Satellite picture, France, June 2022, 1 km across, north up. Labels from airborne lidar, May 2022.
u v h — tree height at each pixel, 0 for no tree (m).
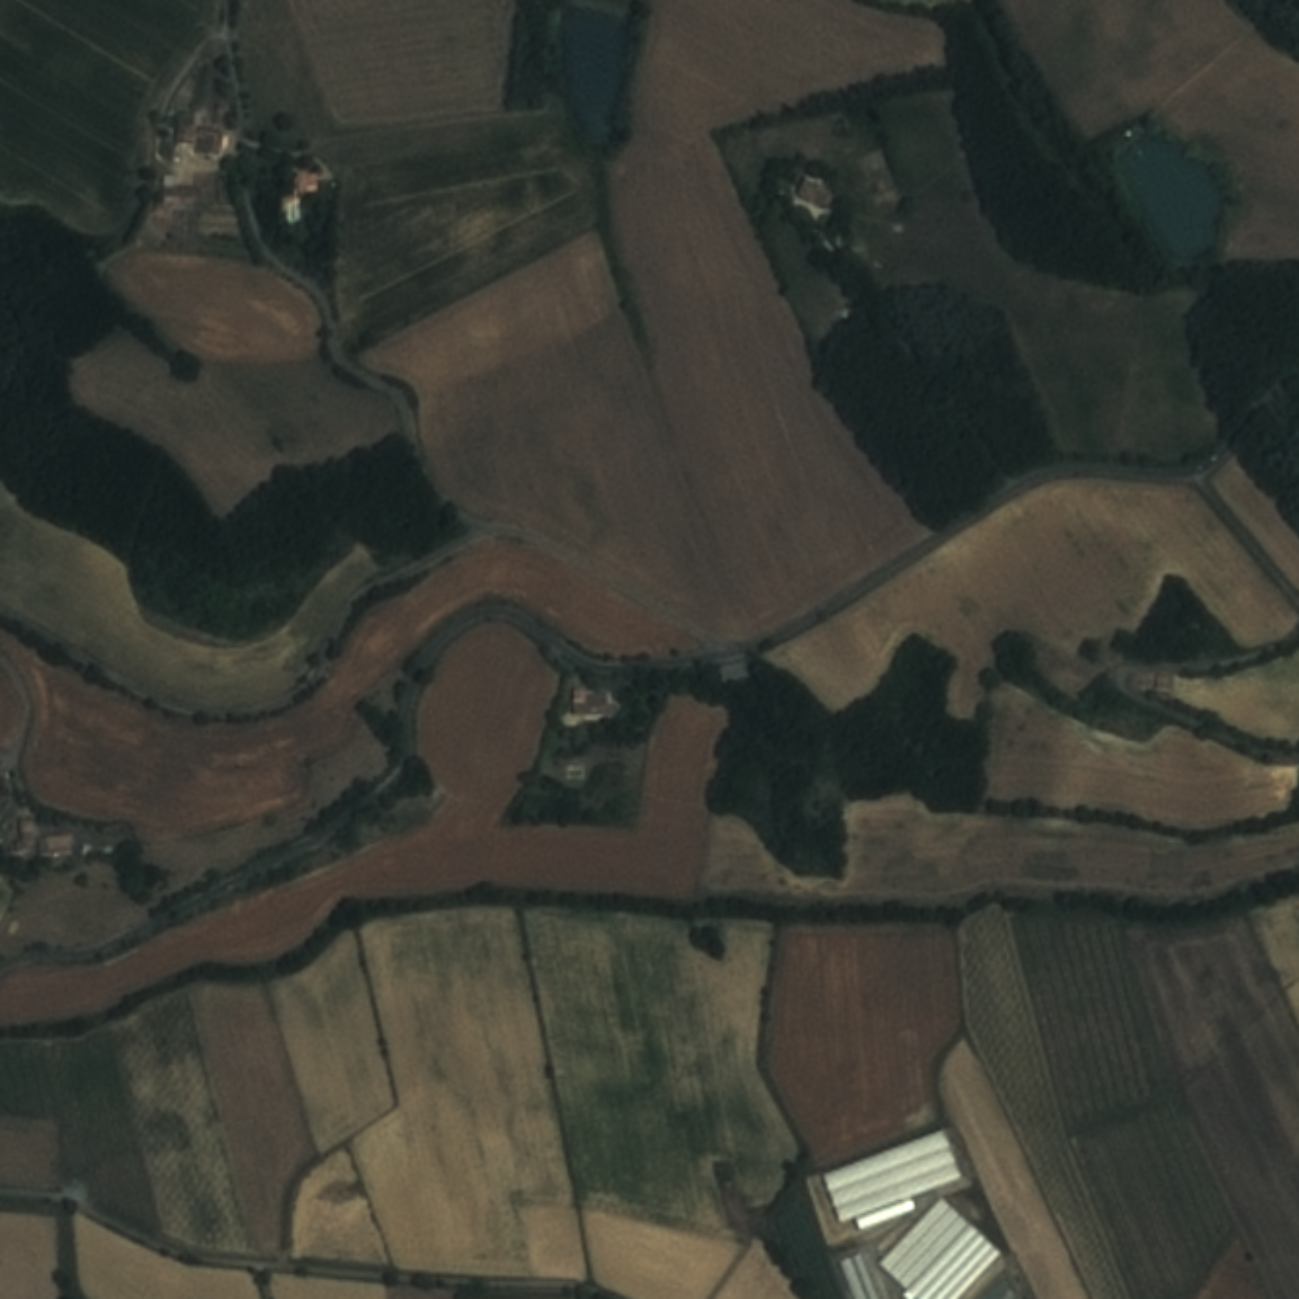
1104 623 0
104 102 0
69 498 9
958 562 0
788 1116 0
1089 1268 0
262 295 0
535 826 7
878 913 10
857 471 0
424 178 0
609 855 0
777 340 0
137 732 0
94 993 0
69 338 12
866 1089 0
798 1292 14
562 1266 0
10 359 14
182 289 0
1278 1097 0
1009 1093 0
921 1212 0
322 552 12
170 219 0
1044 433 17
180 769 0
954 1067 0
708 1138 0
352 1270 0
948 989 0
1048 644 0
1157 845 0
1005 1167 0
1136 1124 0
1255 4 7
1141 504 0
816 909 9
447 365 0
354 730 0
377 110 0
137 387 0
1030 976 0
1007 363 18
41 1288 0
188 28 0
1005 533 0
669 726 0
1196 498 0
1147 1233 0
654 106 0
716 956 12
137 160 0
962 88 16
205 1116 0
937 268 0
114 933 0
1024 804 10
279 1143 0
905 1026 0
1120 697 7
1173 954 0
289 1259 0
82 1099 0
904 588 0
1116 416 0
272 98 0
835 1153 0
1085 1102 0
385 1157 0
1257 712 0
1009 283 0
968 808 16
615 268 6
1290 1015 0
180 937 0
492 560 0
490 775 0
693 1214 0
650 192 0
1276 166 0
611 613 0
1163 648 10
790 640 0
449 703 0
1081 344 0
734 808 6
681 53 0
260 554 11
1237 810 0
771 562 0
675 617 0
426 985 0
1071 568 0
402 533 15
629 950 0
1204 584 0
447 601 0
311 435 0
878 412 18
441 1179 0
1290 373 10
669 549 0
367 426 0
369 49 0
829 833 13
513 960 0
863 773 16
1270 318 18
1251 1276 0
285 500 16
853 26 0
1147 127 18
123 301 14
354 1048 0
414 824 0
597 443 0
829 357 16
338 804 9
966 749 22
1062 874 0
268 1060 0
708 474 0
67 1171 0
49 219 7
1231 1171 0
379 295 0
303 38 0
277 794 0
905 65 0
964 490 17
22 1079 0
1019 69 26
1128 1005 0
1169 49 0
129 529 10
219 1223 0
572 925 0
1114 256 25
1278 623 0
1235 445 15
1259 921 0
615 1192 0
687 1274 0
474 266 0
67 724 0
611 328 0
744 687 17
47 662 17
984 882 0
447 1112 0
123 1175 0
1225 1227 0
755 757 11
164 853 0
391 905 14
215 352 0
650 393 0
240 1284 0
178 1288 0
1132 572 0
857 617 0
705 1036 0
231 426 0
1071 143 7
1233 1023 0
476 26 0
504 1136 0
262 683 0
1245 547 0
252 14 0
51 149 0
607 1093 0
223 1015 0
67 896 0
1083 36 0
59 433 13
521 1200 0
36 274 15
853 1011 0
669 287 0
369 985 0
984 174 19
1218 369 16
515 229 0
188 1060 0
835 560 0
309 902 0
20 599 0
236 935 0
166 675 0
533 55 11
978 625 0
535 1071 0
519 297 0
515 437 0
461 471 0
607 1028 0
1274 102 0
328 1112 0
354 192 0
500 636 0
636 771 0
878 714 9
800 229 9
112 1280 0
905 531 0
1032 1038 0
